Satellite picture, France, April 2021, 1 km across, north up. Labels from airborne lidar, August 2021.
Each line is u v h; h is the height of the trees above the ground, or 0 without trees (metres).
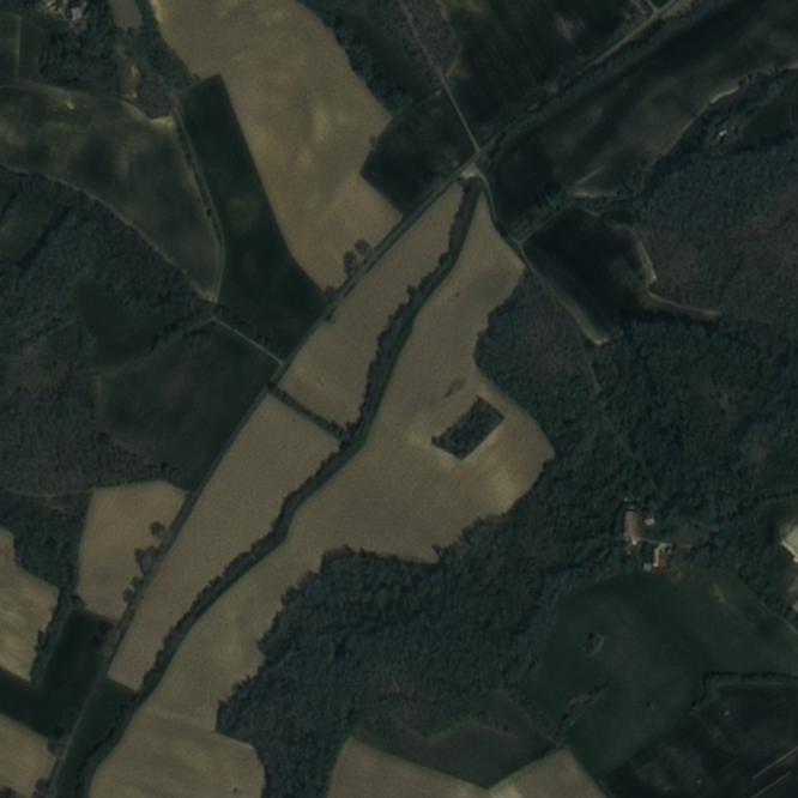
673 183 25
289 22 0
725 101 0
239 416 0
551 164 0
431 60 10
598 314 0
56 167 0
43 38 0
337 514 0
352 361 0
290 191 0
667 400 38
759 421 13
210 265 0
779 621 0
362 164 0
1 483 17
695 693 0
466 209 13
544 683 0
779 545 12
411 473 0
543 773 0
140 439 0
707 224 17
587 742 0
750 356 39
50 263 14
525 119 9
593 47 0
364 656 22
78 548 14
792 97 0
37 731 0
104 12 9
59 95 0
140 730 0
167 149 0
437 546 0
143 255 24
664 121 0
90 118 0
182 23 0
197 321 19
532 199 0
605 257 0
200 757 0
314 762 27
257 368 0
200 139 0
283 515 8
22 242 0
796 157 16
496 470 0
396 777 0
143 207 0
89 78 24
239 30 0
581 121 0
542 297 15
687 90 0
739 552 19
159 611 0
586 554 13
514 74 0
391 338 16
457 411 0
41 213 0
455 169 0
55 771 0
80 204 19
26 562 19
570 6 0
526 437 0
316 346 0
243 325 12
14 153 0
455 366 0
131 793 0
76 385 14
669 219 18
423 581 20
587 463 7
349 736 10
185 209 0
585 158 0
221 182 0
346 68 0
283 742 12
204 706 0
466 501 0
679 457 24
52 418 22
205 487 0
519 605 7
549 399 25
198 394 0
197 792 0
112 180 0
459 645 26
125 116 0
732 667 0
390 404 0
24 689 0
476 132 0
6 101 0
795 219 13
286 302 0
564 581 16
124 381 0
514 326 18
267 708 18
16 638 0
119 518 0
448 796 0
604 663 0
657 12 0
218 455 0
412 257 0
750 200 20
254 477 0
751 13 0
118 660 0
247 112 0
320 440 0
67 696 0
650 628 0
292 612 16
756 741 0
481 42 0
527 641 23
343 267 0
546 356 17
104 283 11
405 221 0
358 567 22
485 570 6
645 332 33
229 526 0
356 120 0
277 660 13
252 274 0
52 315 7
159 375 0
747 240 7
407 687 11
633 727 0
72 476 19
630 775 0
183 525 0
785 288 10
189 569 0
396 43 0
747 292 16
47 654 19
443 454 0
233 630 0
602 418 20
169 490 0
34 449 20
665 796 0
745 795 0
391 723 13
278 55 0
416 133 0
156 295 18
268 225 0
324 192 0
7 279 15
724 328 13
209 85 0
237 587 0
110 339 0
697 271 6
